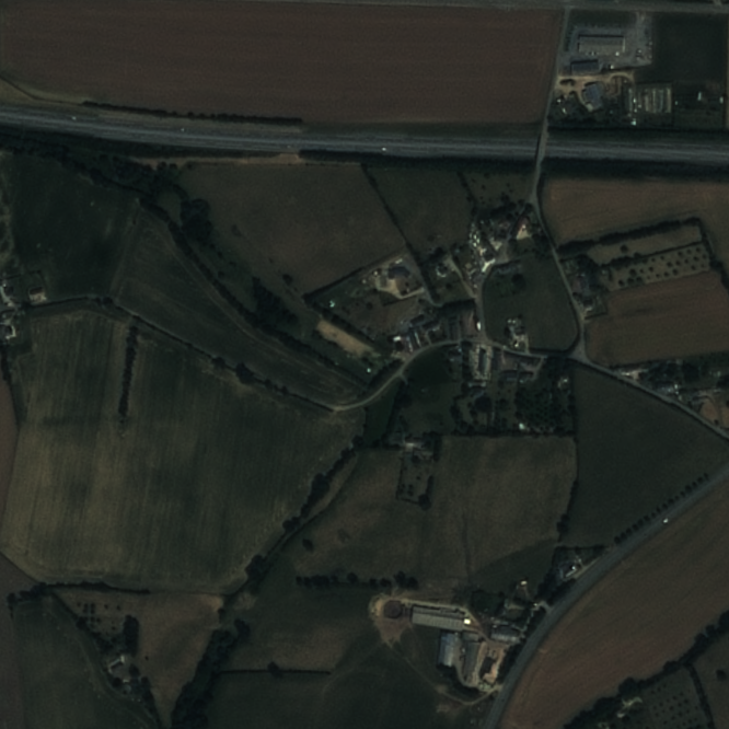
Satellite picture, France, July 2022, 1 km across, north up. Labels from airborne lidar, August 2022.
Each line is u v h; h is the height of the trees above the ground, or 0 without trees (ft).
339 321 47
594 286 24
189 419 0
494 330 0
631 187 0
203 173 0
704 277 0
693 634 0
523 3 0
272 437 0
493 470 0
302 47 0
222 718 0
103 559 0
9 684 0
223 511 0
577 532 0
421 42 0
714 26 0
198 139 0
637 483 0
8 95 0
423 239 0
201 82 0
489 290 0
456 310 30
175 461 0
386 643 0
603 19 0
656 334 0
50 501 0
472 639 0
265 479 0
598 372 24
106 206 0
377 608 0
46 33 0
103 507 0
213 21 0
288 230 0
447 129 0
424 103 0
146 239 0
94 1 0
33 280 0
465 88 0
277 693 0
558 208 0
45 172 0
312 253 0
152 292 0
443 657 0
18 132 29
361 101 0
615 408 0
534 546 0
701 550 0
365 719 0
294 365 0
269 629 0
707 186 0
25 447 0
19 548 0
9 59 0
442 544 0
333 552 0
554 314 0
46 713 0
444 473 0
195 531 0
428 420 0
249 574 32
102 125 0
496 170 24
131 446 0
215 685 24
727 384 45
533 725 0
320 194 0
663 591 0
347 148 0
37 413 0
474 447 0
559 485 0
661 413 0
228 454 0
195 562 0
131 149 37
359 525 0
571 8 0
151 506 0
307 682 0
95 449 0
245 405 0
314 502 41
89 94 0
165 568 0
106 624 0
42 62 0
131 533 0
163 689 0
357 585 65
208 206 31
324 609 0
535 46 0
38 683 0
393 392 0
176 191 41
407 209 0
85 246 0
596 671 0
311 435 0
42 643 0
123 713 0
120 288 0
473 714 0
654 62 0
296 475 0
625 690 55
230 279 0
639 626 0
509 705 0
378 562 0
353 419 0
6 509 0
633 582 0
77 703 0
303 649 0
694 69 0
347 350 0
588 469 0
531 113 0
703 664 0
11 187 0
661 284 0
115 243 0
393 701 0
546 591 58
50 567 0
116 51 0
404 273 0
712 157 0
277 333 34
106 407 0
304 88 0
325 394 0
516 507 0
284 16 0
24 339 0
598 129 25
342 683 0
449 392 0
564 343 0
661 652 0
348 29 0
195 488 0
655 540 0
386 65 0
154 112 24
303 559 0
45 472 0
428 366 0
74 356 0
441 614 0
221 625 0
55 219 0
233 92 0
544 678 0
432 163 26
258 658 0
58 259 0
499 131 0
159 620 0
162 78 0
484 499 0
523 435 19
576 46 0
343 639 0
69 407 0
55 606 0
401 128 0
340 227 0
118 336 0
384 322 0
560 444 0
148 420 0
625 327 0
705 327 0
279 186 0
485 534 0
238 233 0
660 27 0
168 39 0
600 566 0
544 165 33
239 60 0
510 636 0
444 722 0
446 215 0
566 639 0
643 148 0
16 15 0
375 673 0
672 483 0
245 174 0
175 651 0
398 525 0
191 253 44
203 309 0
